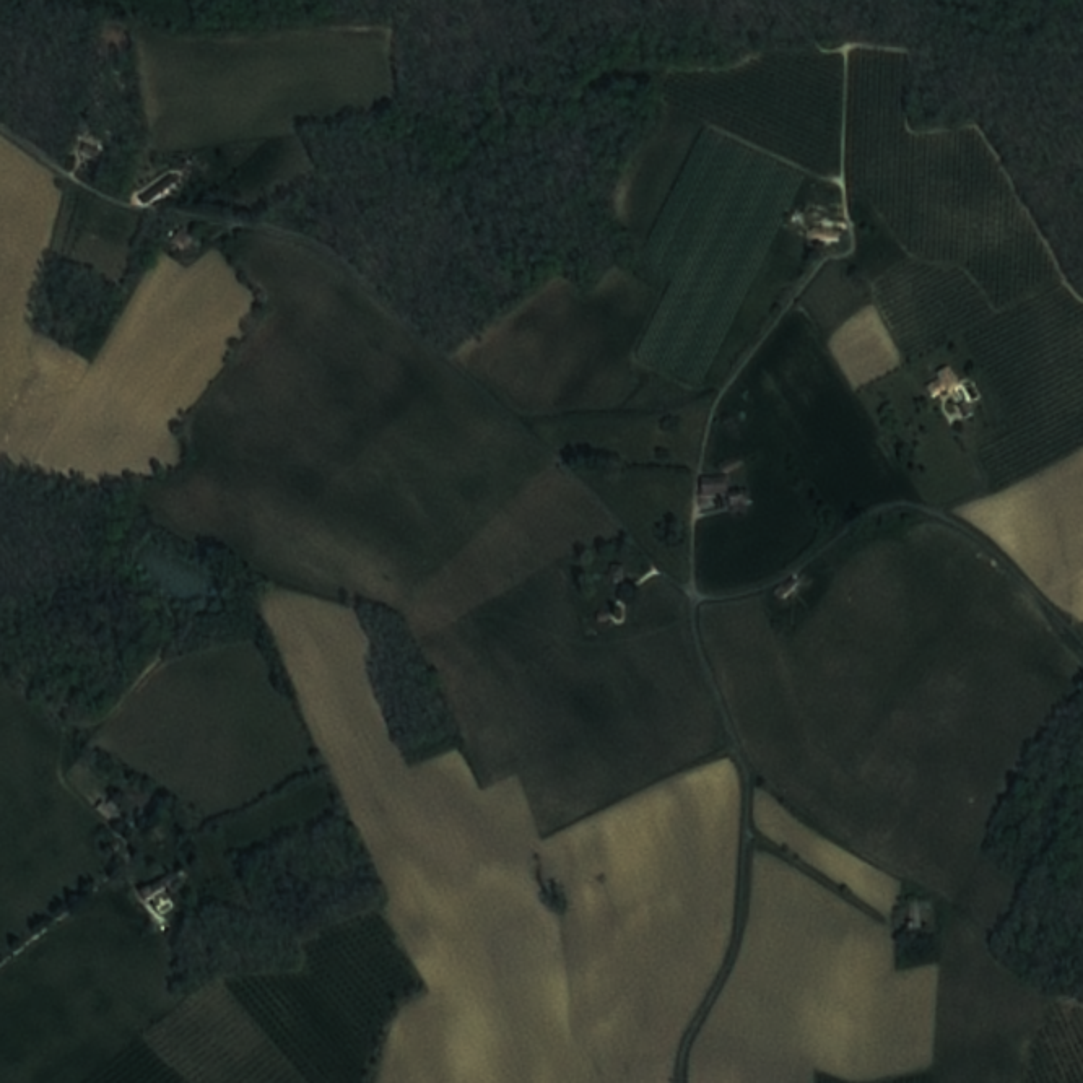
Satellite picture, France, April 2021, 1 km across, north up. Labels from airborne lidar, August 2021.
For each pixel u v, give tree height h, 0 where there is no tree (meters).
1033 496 0
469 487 0
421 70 18
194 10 17
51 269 12
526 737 0
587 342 0
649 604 0
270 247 0
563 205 17
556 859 0
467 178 19
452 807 0
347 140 17
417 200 20
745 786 0
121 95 20
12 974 0
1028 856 14
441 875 0
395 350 0
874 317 0
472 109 21
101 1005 0
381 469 0
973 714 0
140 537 18
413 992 13
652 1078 0
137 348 0
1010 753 0
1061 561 0
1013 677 0
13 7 13
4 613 21
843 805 0
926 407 9
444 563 0
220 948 19
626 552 18
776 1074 0
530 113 24
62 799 0
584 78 20
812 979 0
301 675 0
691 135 0
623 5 16
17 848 0
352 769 0
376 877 5
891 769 0
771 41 13
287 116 0
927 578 0
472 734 0
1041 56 21
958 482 0
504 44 17
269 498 0
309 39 0
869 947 0
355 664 0
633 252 13
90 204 0
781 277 0
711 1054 0
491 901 0
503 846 0
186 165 11
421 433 0
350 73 0
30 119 14
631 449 0
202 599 9
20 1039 0
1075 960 12
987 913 0
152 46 0
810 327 0
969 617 0
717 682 0
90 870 0
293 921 18
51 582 22
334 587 0
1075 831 23
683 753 0
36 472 15
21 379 0
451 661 0
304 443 0
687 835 0
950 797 0
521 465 0
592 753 0
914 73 17
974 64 19
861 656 0
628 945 0
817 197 0
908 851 0
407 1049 0
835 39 16
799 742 0
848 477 0
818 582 0
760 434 0
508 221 20
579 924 0
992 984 0
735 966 0
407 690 21
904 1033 0
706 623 0
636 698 0
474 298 20
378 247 21
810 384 0
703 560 0
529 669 0
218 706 0
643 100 21
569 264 17
